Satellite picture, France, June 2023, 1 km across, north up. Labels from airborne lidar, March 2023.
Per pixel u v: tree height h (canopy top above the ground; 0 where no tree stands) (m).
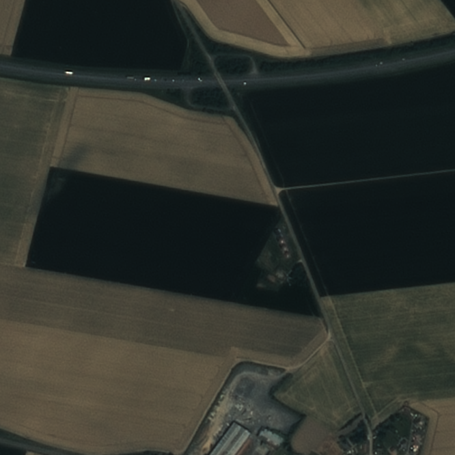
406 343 0
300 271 9
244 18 0
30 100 0
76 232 0
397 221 0
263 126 0
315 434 0
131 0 0
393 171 0
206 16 0
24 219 0
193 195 0
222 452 0
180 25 0
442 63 0
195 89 0
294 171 0
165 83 0
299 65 7
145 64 0
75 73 0
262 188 0
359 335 0
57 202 0
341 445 0
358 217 0
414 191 0
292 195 0
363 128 0
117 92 0
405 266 0
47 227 0
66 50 0
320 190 0
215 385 0
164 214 0
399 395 0
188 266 0
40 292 0
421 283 0
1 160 0
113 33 0
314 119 0
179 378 0
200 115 0
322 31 0
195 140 0
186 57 0
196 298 0
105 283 0
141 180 0
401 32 0
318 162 0
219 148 0
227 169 0
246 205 0
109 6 0
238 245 0
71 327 0
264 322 0
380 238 0
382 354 0
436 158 0
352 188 0
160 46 0
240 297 0
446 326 0
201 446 0
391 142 0
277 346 0
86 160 0
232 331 0
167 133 0
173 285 0
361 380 0
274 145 0
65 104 0
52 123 0
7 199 0
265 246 0
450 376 0
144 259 0
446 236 0
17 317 0
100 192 0
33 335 0
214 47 9
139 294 0
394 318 0
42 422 0
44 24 0
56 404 0
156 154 0
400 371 0
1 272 0
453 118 0
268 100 0
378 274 0
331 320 0
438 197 0
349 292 0
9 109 0
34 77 0
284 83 0
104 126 0
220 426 0
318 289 0
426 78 0
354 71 0
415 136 0
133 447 0
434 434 0
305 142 0
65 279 0
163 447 0
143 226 0
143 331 0
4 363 0
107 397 0
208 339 0
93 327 0
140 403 0
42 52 0
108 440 0
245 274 0
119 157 0
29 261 0
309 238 0
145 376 0
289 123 0
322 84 0
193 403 0
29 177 0
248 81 0
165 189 0
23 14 0
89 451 0
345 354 0
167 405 0
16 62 0
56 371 0
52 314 0
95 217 0
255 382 0
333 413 0
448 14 0
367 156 0
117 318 0
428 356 0
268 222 0
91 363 0
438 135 0
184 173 0
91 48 0
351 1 0
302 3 0
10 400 0
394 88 0
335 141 0
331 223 0
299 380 0
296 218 0
